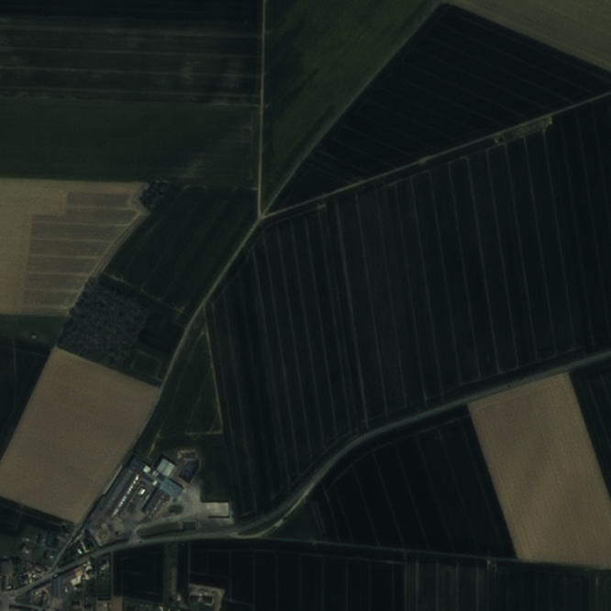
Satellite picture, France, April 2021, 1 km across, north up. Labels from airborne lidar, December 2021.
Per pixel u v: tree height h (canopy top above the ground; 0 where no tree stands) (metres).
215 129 0
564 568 0
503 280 0
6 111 0
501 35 0
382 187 0
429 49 0
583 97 0
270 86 0
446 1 0
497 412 0
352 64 0
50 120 0
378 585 0
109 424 0
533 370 0
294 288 0
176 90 0
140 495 0
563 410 0
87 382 0
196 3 0
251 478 0
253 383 0
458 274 0
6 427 0
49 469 0
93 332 21
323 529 0
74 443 0
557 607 0
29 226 0
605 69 0
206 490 0
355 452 0
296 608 0
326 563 0
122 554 0
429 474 0
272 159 0
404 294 0
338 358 0
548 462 0
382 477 0
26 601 0
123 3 0
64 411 0
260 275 0
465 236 0
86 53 0
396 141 0
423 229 0
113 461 0
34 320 0
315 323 0
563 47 0
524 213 0
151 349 0
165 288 0
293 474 0
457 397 0
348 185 0
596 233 0
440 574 0
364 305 0
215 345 0
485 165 0
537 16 0
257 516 0
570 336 0
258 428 0
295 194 0
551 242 0
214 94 0
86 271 0
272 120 0
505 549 0
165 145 0
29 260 0
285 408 0
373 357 0
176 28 0
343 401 0
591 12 0
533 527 0
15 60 0
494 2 0
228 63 0
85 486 0
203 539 0
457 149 0
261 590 0
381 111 0
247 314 0
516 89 0
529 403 0
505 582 0
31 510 0
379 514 0
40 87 0
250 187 0
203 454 0
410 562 0
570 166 0
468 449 0
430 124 0
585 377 0
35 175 0
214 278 0
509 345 0
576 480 0
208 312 0
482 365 0
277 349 0
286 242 0
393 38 0
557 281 0
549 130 0
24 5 0
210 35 0
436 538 0
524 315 0
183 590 0
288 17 0
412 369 0
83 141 0
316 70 0
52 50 0
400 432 0
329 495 0
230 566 0
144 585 0
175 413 0
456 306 0
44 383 0
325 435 0
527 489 0
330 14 0
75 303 0
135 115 0
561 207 0
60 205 0
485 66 0
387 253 0
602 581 0
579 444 0
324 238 0
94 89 0
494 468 0
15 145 0
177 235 0
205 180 0
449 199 0
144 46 0
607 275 0
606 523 0
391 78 0
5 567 0
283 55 0
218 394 0
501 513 0
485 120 0
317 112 0
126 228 0
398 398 0
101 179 0
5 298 0
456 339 0
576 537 0
